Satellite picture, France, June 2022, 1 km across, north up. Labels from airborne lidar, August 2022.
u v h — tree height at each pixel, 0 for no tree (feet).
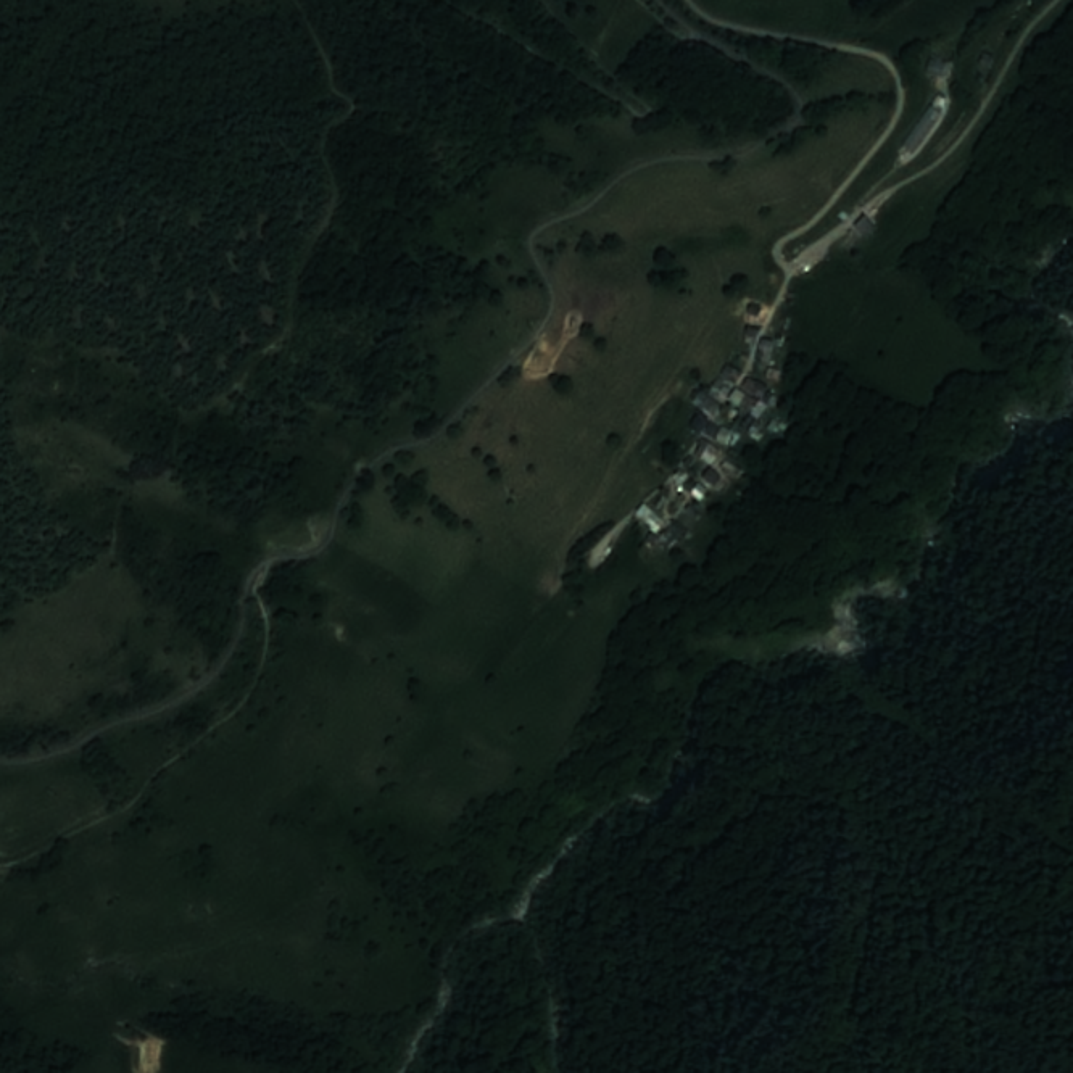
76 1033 0
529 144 48
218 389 59
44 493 42
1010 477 62
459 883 40
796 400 48
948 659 50
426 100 24
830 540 55
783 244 0
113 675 0
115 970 0
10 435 46
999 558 41
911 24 0
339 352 18
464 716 0
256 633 27
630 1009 60
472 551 0
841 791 53
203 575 46
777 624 32
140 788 0
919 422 70
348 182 24
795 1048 44
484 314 0
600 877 57
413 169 43
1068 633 58
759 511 63
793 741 54
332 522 0
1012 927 60
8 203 25
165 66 33
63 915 0
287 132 61
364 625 0
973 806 40
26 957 0
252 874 0
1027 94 66
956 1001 53
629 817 34
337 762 0
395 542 0
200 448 46
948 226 52
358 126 32
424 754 0
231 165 43
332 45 33
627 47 0
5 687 0
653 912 66
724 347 0
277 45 22
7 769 0
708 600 41
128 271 67
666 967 42
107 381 22
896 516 63
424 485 35
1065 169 58
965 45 46
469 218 0
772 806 43
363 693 0
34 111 48
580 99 35
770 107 47
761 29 0
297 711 0
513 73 31
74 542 47
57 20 28
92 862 0
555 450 0
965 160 0
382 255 58
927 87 0
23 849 0
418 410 22
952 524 39
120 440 22
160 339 52
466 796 0
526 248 0
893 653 53
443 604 0
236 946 0
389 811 0
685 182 0
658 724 63
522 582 0
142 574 18
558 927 36
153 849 0
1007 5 39
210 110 23
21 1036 33
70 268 52
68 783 0
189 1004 32
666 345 0
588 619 0
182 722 49
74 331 46
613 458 0
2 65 24
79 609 0
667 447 48
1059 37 70
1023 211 46
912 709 48
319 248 30
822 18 0
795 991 50
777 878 67
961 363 0
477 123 54
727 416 30
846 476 48
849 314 0
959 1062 22
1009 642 63
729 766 37
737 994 25
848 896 19
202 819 0
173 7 0
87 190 35
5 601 31
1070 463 65
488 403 0
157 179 40
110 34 26
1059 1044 41
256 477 41
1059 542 61
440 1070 56
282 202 52
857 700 47
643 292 0
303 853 0
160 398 35
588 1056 57
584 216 0
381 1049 30
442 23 45
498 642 0
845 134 0
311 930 0
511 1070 50
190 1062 0
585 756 45
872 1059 61
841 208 0
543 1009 63
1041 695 43
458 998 19
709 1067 41
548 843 36
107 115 27
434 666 0
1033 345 55
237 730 0
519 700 0
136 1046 0
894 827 59
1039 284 56
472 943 27
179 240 35
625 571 0
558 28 51
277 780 0
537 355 0
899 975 42
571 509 0
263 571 0
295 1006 22
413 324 64
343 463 0
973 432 76
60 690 0
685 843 48
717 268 0
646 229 0
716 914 61
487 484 0
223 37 28
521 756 0
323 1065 45
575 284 0
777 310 0
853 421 50
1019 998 32
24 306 49
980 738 51
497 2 48
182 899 0
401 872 52
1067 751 60
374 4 21
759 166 0
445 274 20
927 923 34
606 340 33
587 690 0
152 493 0
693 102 38
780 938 60
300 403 60
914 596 61
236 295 63
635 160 0
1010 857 68
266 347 49
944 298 54
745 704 70
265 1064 34
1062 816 53
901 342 0
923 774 42
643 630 73
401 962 0
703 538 0
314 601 46
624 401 0
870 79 0
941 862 56
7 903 0
